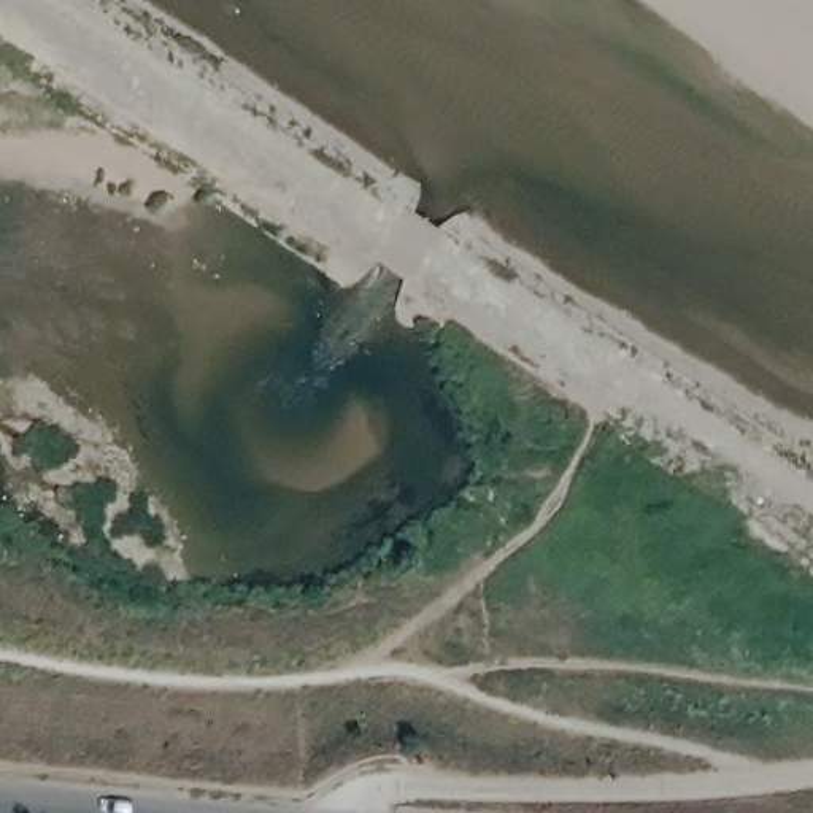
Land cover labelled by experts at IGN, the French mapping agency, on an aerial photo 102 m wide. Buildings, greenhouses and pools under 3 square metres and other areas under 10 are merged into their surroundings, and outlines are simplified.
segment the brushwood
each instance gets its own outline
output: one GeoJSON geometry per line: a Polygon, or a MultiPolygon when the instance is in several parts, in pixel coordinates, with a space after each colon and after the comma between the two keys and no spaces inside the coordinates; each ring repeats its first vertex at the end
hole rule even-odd
{"type": "Polygon", "coordinates": [[[152,162],[171,175],[184,171],[194,159],[159,143],[143,130],[124,130],[114,137],[118,146],[140,143],[152,149],[152,162]]]}
{"type": "Polygon", "coordinates": [[[260,222],[257,229],[299,260],[321,270],[327,260],[324,245],[289,238],[286,229],[276,222],[260,222]]]}
{"type": "Polygon", "coordinates": [[[445,387],[448,403],[454,407],[460,438],[470,448],[473,470],[467,476],[467,486],[448,505],[432,508],[429,514],[410,521],[403,530],[410,540],[410,553],[400,559],[400,568],[429,575],[460,572],[464,562],[470,562],[473,556],[492,556],[508,537],[514,537],[521,527],[534,521],[540,502],[559,483],[559,473],[565,470],[565,460],[572,457],[588,422],[588,413],[581,407],[553,397],[537,375],[524,375],[511,362],[505,362],[457,321],[435,324],[429,318],[413,318],[413,327],[413,333],[426,343],[429,362],[445,387]]]}
{"type": "Polygon", "coordinates": [[[32,70],[32,54],[0,41],[0,64],[16,79],[29,83],[35,95],[48,95],[51,108],[67,114],[89,121],[95,127],[105,127],[108,118],[95,108],[86,108],[67,89],[57,89],[54,73],[32,70]]]}
{"type": "Polygon", "coordinates": [[[38,419],[25,432],[16,432],[13,441],[0,432],[0,454],[6,467],[32,464],[44,473],[67,464],[79,448],[70,432],[48,419],[38,419]]]}
{"type": "Polygon", "coordinates": [[[127,603],[121,610],[124,619],[165,619],[165,610],[181,610],[181,594],[175,581],[165,578],[159,565],[137,565],[124,559],[105,540],[102,518],[105,505],[114,499],[114,480],[102,476],[92,483],[64,483],[54,495],[57,505],[76,511],[76,521],[86,534],[79,546],[73,546],[70,534],[64,534],[35,505],[29,511],[16,505],[0,508],[0,575],[19,578],[22,584],[35,584],[44,594],[54,594],[60,588],[67,600],[86,610],[127,603]]]}
{"type": "Polygon", "coordinates": [[[130,499],[127,511],[114,518],[111,530],[118,537],[140,537],[146,546],[159,546],[165,540],[162,521],[152,518],[146,508],[149,502],[130,499]]]}
{"type": "Polygon", "coordinates": [[[210,67],[222,67],[229,57],[216,41],[200,35],[191,38],[178,29],[165,29],[162,38],[175,41],[194,60],[210,67]]]}

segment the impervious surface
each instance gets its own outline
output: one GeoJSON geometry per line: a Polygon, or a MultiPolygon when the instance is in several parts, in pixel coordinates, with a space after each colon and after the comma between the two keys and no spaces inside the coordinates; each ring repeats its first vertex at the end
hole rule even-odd
{"type": "Polygon", "coordinates": [[[181,800],[152,800],[137,794],[83,794],[0,784],[0,813],[264,813],[245,807],[187,807],[181,800]]]}
{"type": "Polygon", "coordinates": [[[219,206],[257,229],[260,222],[276,222],[286,229],[289,238],[324,245],[327,260],[321,270],[337,286],[353,286],[368,270],[387,267],[403,283],[397,299],[397,321],[403,327],[413,327],[413,318],[429,318],[435,324],[457,321],[505,362],[511,362],[524,375],[537,375],[553,397],[581,407],[588,413],[588,422],[597,426],[613,422],[622,441],[661,441],[667,451],[657,454],[651,464],[667,473],[692,473],[721,464],[734,508],[740,508],[749,537],[756,537],[769,549],[784,553],[791,540],[800,534],[800,527],[813,518],[813,514],[803,505],[769,502],[769,492],[759,489],[759,480],[769,483],[784,464],[791,464],[807,473],[807,480],[813,480],[813,419],[775,407],[772,400],[753,394],[730,375],[724,375],[721,368],[651,333],[632,314],[581,292],[534,254],[508,245],[483,219],[454,216],[445,225],[426,222],[416,213],[416,181],[397,175],[368,149],[353,143],[346,133],[333,130],[318,114],[311,114],[270,83],[264,83],[257,73],[251,73],[245,64],[229,57],[222,67],[210,67],[194,60],[175,41],[162,38],[165,29],[178,29],[191,38],[200,35],[197,29],[168,16],[149,0],[0,0],[0,41],[32,54],[32,70],[54,73],[57,89],[67,89],[86,108],[95,108],[108,118],[118,121],[124,130],[143,130],[159,143],[194,159],[203,165],[206,178],[194,181],[194,197],[187,200],[187,206],[219,206]]]}

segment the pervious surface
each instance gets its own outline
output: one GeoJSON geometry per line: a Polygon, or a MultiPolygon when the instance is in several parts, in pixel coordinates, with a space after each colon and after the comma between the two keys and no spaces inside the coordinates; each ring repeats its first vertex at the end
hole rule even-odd
{"type": "Polygon", "coordinates": [[[807,480],[807,473],[791,464],[784,464],[769,483],[759,480],[759,489],[769,492],[769,502],[803,505],[813,514],[813,480],[807,480]]]}
{"type": "Polygon", "coordinates": [[[330,670],[302,670],[276,676],[203,676],[89,664],[0,645],[0,661],[89,680],[229,692],[330,686],[349,680],[410,680],[445,689],[473,705],[521,721],[534,721],[540,727],[654,746],[664,753],[711,762],[711,772],[689,775],[661,772],[619,778],[543,778],[464,775],[445,772],[435,762],[413,762],[403,753],[372,753],[346,762],[343,769],[327,772],[311,788],[279,788],[0,759],[0,784],[83,794],[137,794],[152,800],[181,800],[187,807],[245,807],[264,813],[457,813],[403,807],[400,800],[422,797],[715,800],[813,788],[813,759],[762,762],[753,756],[715,749],[708,743],[667,737],[657,730],[549,715],[524,702],[489,695],[476,689],[470,680],[495,670],[610,670],[730,689],[781,689],[813,695],[813,680],[737,676],[676,664],[613,657],[502,654],[495,661],[473,661],[460,667],[391,661],[394,648],[410,642],[419,629],[438,622],[460,597],[480,588],[508,556],[514,556],[549,524],[549,518],[562,508],[568,495],[568,486],[584,454],[594,445],[597,426],[588,422],[572,457],[565,460],[565,470],[559,473],[559,483],[540,502],[534,521],[521,527],[514,537],[508,537],[492,556],[473,556],[470,562],[464,562],[460,572],[438,600],[426,603],[416,616],[403,619],[400,629],[387,632],[378,645],[359,651],[353,661],[337,664],[330,670]]]}

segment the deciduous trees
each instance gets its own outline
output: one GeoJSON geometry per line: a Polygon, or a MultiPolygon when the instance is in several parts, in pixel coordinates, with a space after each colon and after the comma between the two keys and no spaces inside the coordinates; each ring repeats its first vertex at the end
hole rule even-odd
{"type": "Polygon", "coordinates": [[[362,559],[356,559],[343,572],[327,575],[318,584],[254,588],[194,581],[187,575],[175,581],[181,594],[181,610],[197,610],[203,603],[251,603],[254,610],[267,610],[273,603],[276,610],[292,610],[308,600],[308,607],[318,607],[324,616],[343,607],[330,591],[353,584],[356,578],[381,578],[400,568],[400,559],[410,553],[410,540],[403,530],[384,537],[362,559]]]}

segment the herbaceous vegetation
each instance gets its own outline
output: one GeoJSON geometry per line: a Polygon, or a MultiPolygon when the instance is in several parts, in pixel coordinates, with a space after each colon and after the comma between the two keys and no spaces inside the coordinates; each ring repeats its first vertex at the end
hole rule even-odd
{"type": "Polygon", "coordinates": [[[267,610],[254,610],[251,603],[203,603],[197,610],[181,610],[165,610],[165,619],[124,619],[121,610],[127,603],[86,610],[67,600],[60,588],[54,594],[44,594],[35,584],[22,584],[19,578],[0,575],[0,645],[89,664],[203,676],[276,676],[302,670],[330,670],[337,664],[353,661],[359,651],[378,645],[387,632],[400,629],[403,619],[416,616],[426,603],[438,600],[460,572],[429,575],[400,568],[381,578],[356,578],[353,584],[330,591],[343,607],[324,616],[318,607],[308,607],[308,600],[292,610],[276,610],[273,603],[267,610]]]}
{"type": "Polygon", "coordinates": [[[651,464],[657,454],[667,451],[661,441],[622,441],[613,422],[597,426],[594,445],[584,454],[568,486],[568,495],[562,508],[549,518],[549,524],[514,556],[508,556],[480,588],[460,597],[438,622],[419,629],[410,642],[394,648],[391,661],[460,667],[473,661],[495,661],[502,654],[613,657],[676,664],[737,676],[813,680],[813,518],[800,527],[800,534],[791,540],[784,553],[769,549],[756,537],[749,537],[740,508],[734,508],[721,464],[692,473],[667,473],[651,464]]]}
{"type": "Polygon", "coordinates": [[[540,727],[534,721],[521,721],[473,705],[445,689],[410,680],[349,680],[330,686],[229,692],[89,680],[0,661],[0,759],[279,788],[311,788],[327,772],[343,769],[346,762],[372,753],[403,753],[413,762],[435,762],[445,772],[464,775],[543,778],[619,778],[661,772],[689,775],[711,772],[711,762],[664,753],[654,746],[540,727]]]}
{"type": "Polygon", "coordinates": [[[403,807],[457,813],[813,813],[813,788],[715,800],[422,797],[400,800],[403,807]]]}
{"type": "Polygon", "coordinates": [[[476,689],[489,695],[524,702],[549,715],[657,730],[667,737],[708,743],[715,749],[753,756],[762,762],[813,759],[813,695],[781,689],[730,689],[610,670],[495,670],[470,680],[476,689]]]}
{"type": "Polygon", "coordinates": [[[51,108],[48,95],[35,95],[29,83],[16,79],[0,64],[0,133],[60,130],[67,114],[51,108]]]}

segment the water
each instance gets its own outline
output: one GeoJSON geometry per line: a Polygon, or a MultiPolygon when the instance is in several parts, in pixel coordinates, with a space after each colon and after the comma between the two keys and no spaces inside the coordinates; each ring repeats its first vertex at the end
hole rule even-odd
{"type": "Polygon", "coordinates": [[[426,222],[445,225],[454,216],[483,219],[508,245],[534,254],[581,292],[632,314],[651,333],[721,368],[724,375],[730,375],[753,394],[772,400],[775,407],[813,419],[813,127],[797,121],[791,111],[778,108],[775,102],[762,98],[759,92],[746,89],[734,76],[727,76],[699,41],[673,29],[661,13],[645,6],[642,0],[149,0],[168,16],[197,29],[200,35],[216,41],[229,57],[245,64],[251,73],[257,73],[264,83],[270,83],[311,114],[318,114],[333,130],[346,133],[353,143],[368,149],[397,175],[416,181],[416,213],[426,222]]]}
{"type": "Polygon", "coordinates": [[[29,486],[38,486],[54,495],[64,483],[51,483],[44,473],[32,464],[6,467],[0,454],[0,508],[16,505],[16,495],[29,492],[29,486]]]}
{"type": "Polygon", "coordinates": [[[460,438],[454,407],[448,403],[445,387],[429,362],[426,343],[413,333],[413,327],[403,327],[397,321],[397,299],[403,283],[387,267],[368,270],[353,286],[337,286],[321,270],[299,260],[257,229],[219,206],[187,206],[181,206],[187,213],[187,222],[181,229],[165,229],[159,222],[137,219],[124,210],[111,210],[89,200],[60,203],[54,191],[32,187],[25,181],[0,181],[0,432],[13,441],[16,432],[25,432],[38,419],[25,410],[16,410],[16,384],[22,378],[38,378],[79,416],[105,422],[114,432],[114,445],[127,448],[137,464],[137,489],[130,492],[130,499],[149,502],[156,495],[156,502],[168,508],[168,514],[175,518],[187,575],[194,581],[254,588],[318,584],[327,575],[343,572],[356,559],[362,559],[384,537],[403,530],[410,521],[429,514],[432,508],[448,505],[467,486],[467,476],[473,470],[470,448],[460,438]]]}

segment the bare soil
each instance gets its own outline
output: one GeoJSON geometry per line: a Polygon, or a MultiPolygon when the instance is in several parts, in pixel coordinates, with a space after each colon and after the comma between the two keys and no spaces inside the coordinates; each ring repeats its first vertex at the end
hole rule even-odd
{"type": "Polygon", "coordinates": [[[79,416],[38,378],[22,378],[16,384],[16,410],[25,410],[38,419],[48,419],[70,432],[79,448],[67,464],[44,473],[51,483],[64,483],[92,483],[102,476],[114,480],[114,499],[105,505],[102,518],[105,540],[124,559],[137,565],[159,565],[165,578],[175,581],[187,575],[175,518],[168,514],[168,508],[156,502],[156,495],[149,502],[146,508],[152,518],[162,521],[165,540],[159,546],[146,546],[140,537],[118,537],[111,530],[114,518],[127,511],[130,499],[130,492],[137,489],[137,464],[127,448],[114,445],[114,432],[105,422],[79,416]]]}
{"type": "Polygon", "coordinates": [[[79,546],[86,534],[76,521],[76,511],[57,505],[54,495],[38,486],[29,486],[29,492],[16,495],[16,505],[29,511],[35,505],[64,534],[70,534],[73,546],[79,546]]]}
{"type": "Polygon", "coordinates": [[[181,206],[187,206],[187,200],[194,197],[194,181],[206,178],[203,165],[194,159],[184,171],[171,175],[152,162],[152,149],[140,143],[118,146],[114,137],[124,130],[118,121],[108,118],[105,127],[95,127],[89,121],[67,114],[60,130],[0,133],[0,181],[25,181],[32,187],[54,191],[60,203],[89,200],[111,210],[124,210],[137,219],[159,222],[165,229],[181,229],[187,222],[187,213],[181,206]]]}
{"type": "Polygon", "coordinates": [[[734,76],[746,89],[759,92],[762,98],[775,102],[778,108],[791,111],[797,121],[813,127],[813,0],[642,0],[645,6],[661,13],[673,29],[699,41],[727,76],[734,76]]]}

